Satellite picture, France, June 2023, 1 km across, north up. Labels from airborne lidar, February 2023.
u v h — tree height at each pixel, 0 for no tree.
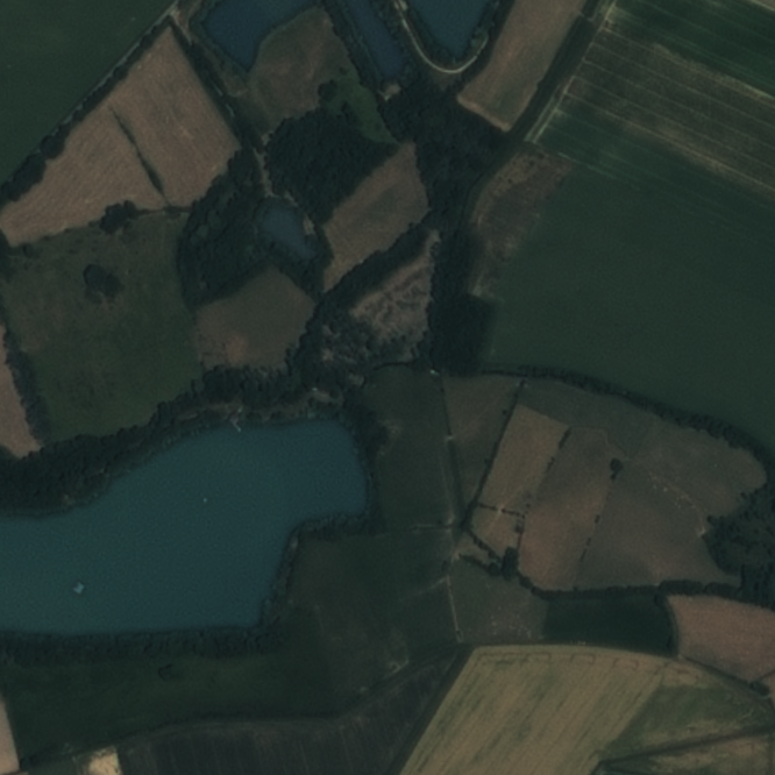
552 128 0
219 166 0
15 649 20
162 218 0
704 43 0
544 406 0
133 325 0
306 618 0
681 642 0
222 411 0
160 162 0
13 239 0
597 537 0
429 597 0
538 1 0
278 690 0
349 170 27
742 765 0
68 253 0
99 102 7
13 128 0
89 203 0
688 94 0
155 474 0
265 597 0
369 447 14
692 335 0
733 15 0
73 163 0
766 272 0
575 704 0
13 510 18
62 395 0
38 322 0
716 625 0
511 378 0
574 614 0
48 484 18
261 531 0
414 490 0
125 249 0
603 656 0
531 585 10
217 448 0
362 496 0
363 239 0
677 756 0
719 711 0
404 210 0
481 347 11
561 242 0
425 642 0
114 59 0
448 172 9
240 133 10
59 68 0
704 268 0
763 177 0
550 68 0
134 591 0
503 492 0
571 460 0
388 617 0
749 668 0
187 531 0
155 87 0
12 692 0
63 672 0
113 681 0
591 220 0
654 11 0
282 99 0
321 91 9
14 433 0
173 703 0
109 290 21
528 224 0
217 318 0
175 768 0
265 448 0
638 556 0
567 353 0
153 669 0
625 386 0
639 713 0
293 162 22
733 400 0
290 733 0
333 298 17
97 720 0
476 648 0
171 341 0
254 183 11
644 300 0
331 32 0
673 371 0
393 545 0
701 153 0
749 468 0
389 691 0
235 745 0
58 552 0
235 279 13
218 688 0
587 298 0
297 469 0
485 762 0
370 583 0
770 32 0
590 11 0
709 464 0
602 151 0
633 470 0
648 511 0
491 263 0
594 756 0
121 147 0
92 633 0
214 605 0
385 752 0
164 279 0
